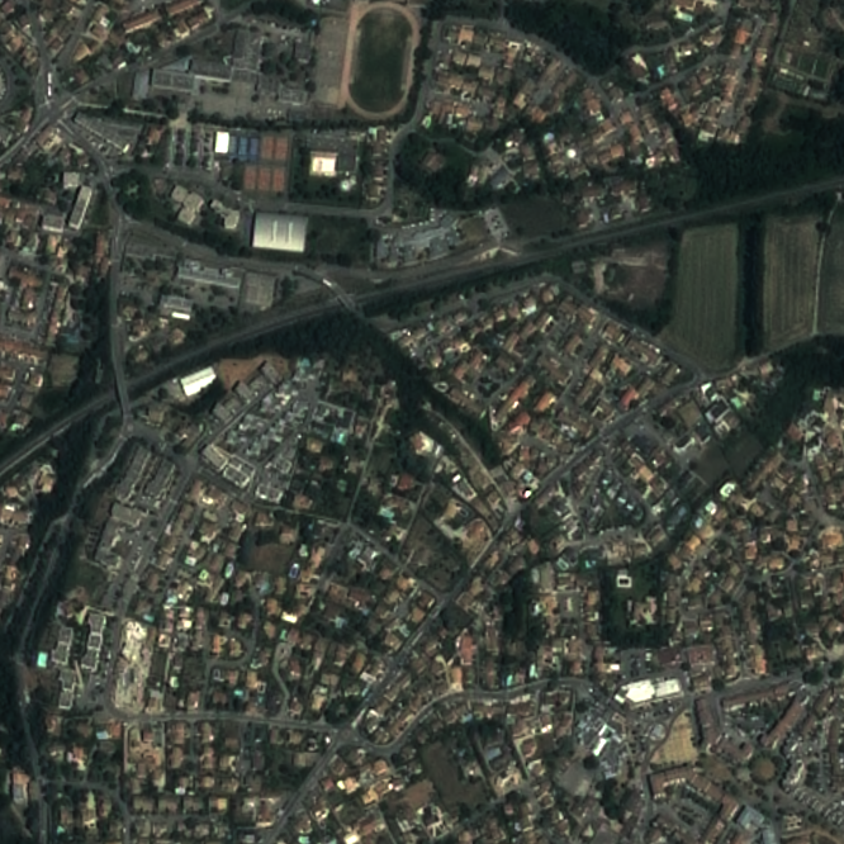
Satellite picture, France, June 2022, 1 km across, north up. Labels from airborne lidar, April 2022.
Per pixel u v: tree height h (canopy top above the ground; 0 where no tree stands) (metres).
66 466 18
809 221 0
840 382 15
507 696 0
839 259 0
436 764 0
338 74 0
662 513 8
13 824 19
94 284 9
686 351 0
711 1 0
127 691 0
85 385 16
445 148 10
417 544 0
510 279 11
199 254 0
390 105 0
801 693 0
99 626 0
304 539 14
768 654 5
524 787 0
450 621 12
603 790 8
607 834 0
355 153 0
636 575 12
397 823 0
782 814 11
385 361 7
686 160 12
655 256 0
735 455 0
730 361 0
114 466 10
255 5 10
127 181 13
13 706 14
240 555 11
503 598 14
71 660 7
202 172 0
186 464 0
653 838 0
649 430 0
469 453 0
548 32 16
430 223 0
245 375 0
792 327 0
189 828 10
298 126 10
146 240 0
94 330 14
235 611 6
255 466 0
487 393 9
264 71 13
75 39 0
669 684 0
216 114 9
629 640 9
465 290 9
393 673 0
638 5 12
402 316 11
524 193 9
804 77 0
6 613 9
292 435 0
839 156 18
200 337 7
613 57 9
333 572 6
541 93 0
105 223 0
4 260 0
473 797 0
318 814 0
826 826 8
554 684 9
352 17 0
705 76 0
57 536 8
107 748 0
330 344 12
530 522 8
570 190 12
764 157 16
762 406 9
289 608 6
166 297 8
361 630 14
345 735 0
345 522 6
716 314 0
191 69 0
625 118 0
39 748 8
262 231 0
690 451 0
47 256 7
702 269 0
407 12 0
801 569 12
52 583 6
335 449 9
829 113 0
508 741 12
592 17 8
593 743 0
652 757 0
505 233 0
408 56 0
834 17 0
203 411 15
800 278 0
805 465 0
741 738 0
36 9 9
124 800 10
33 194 8
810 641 9
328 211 0
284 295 9
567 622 9
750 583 6
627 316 10
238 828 9
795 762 0
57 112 0
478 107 0
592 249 8
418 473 17
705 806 8
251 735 6
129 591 0
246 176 0
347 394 7
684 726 0
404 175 25
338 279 0
